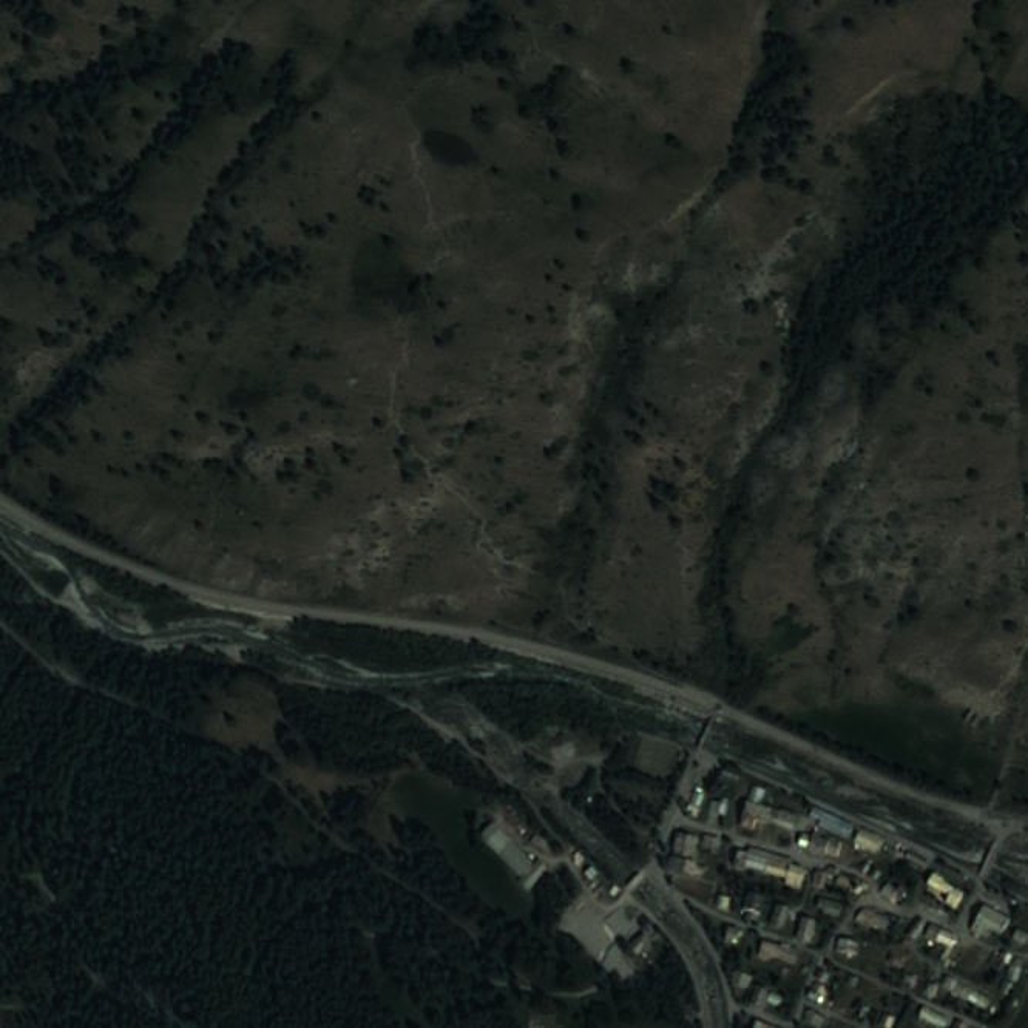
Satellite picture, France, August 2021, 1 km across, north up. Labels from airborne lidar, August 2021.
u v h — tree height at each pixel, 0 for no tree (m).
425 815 0
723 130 0
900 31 0
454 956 25
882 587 0
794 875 0
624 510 0
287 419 0
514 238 0
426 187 0
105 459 0
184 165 0
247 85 0
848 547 0
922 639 0
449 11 0
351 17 0
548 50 0
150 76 18
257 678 16
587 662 0
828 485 17
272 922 21
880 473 0
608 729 10
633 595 0
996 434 0
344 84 0
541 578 0
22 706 11
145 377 0
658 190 0
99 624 0
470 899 20
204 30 0
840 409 0
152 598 14
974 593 0
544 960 14
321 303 0
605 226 0
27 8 25
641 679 0
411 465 0
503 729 8
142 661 12
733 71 0
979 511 0
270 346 0
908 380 0
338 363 0
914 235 18
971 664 0
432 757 10
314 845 0
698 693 0
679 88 0
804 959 0
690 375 0
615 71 0
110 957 15
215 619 0
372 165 0
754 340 0
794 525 0
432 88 0
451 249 0
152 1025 20
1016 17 0
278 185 0
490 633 0
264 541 0
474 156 0
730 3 0
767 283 0
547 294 0
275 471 0
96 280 0
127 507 0
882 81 0
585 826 0
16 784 16
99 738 13
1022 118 21
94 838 26
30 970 17
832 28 0
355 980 26
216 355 0
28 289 0
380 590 0
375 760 9
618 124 0
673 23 0
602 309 0
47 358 0
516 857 0
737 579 0
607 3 0
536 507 0
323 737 16
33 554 0
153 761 20
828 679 0
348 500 0
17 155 20
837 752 11
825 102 0
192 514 0
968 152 11
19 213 0
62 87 7
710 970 0
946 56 0
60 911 6
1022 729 0
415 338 0
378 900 15
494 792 9
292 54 10
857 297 10
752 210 0
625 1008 8
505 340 0
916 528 0
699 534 0
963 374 0
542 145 0
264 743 0
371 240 0
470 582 0
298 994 25
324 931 19
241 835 27
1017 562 0
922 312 7
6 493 10
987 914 0
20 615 18
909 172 17
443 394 0
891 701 0
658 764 0
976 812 0
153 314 0
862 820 0
